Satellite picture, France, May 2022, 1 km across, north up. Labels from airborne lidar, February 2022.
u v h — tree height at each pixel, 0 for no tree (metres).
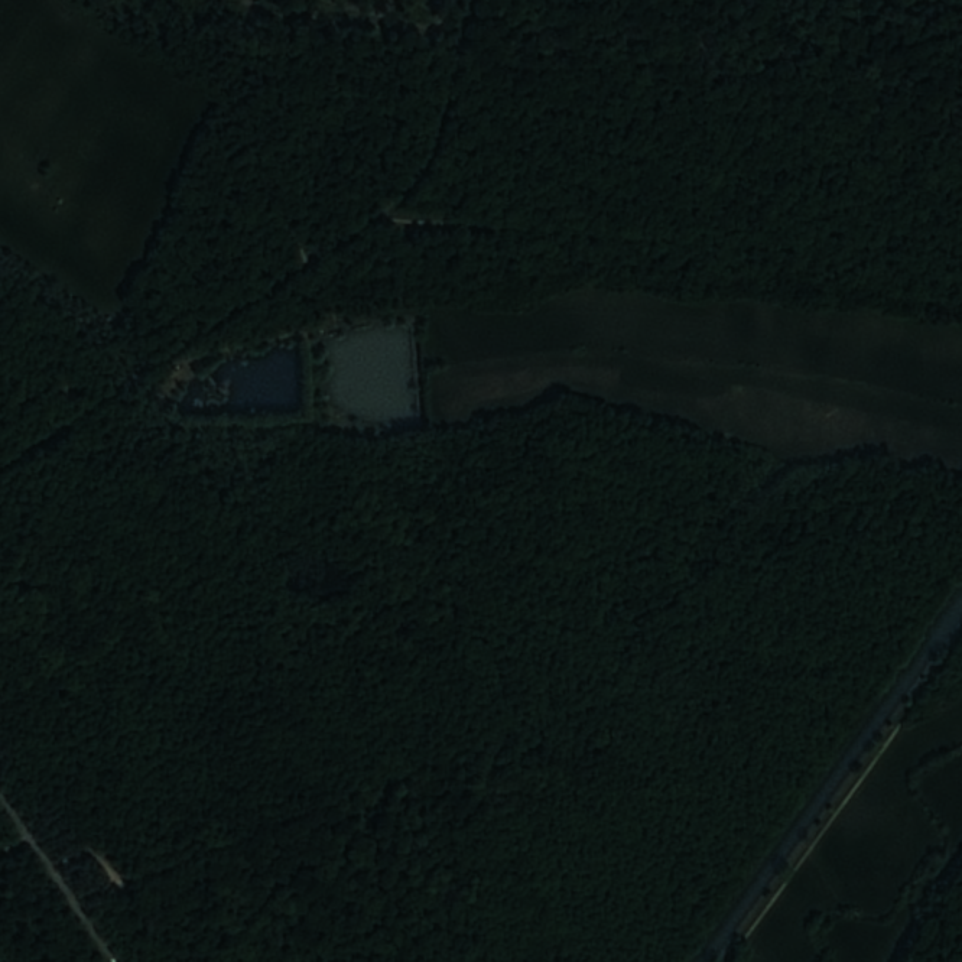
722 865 24
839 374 0
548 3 22
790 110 23
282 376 0
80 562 25
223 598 24
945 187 22
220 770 23
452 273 22
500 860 23
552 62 25
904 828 0
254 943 25
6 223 0
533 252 18
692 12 23
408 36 26
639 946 25
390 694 24
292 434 23
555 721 21
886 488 22
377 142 21
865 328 0
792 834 0
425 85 21
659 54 25
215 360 16
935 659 16
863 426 0
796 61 27
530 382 0
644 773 21
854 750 0
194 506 26
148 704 25
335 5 30
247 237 23
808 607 25
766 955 0
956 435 0
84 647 26
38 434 21
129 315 15
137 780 24
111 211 0
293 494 25
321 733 25
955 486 22
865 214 22
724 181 18
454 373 0
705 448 22
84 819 26
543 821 23
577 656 26
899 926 0
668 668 24
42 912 25
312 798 24
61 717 24
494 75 24
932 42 25
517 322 0
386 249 24
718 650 25
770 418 0
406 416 0
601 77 24
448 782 24
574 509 25
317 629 25
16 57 0
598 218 24
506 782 33
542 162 20
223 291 23
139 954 22
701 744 22
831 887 0
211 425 24
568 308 0
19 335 27
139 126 0
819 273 18
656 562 26
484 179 22
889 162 27
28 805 24
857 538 25
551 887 22
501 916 23
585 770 21
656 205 18
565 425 23
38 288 23
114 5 0
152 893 28
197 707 25
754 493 24
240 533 26
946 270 23
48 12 0
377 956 21
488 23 25
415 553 24
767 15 27
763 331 0
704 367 0
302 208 23
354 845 27
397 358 0
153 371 24
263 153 20
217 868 28
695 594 29
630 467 27
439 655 24
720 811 24
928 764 15
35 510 29
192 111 0
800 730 23
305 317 20
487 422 24
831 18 32
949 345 0
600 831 23
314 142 23
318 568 25
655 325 0
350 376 0
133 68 0
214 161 22
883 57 29
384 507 25
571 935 26
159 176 0
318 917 26
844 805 0
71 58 0
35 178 0
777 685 25
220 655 25
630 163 22
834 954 8
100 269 0
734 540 26
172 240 16
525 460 22
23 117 0
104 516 24
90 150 0
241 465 25
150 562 24
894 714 0
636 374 0
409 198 20
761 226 21
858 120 26
